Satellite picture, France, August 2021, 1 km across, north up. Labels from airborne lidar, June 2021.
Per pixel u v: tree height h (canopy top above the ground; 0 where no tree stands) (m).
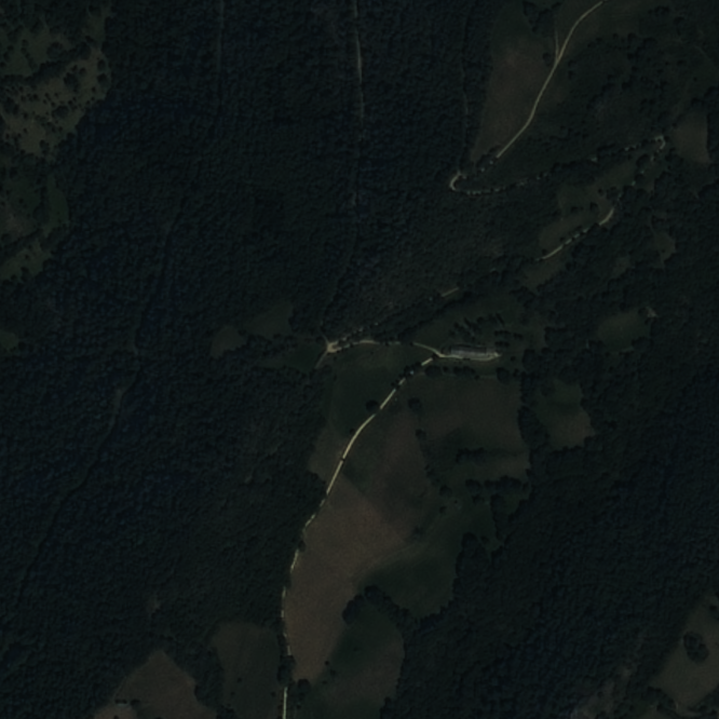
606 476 17
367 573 0
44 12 18
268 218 14
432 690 23
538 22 8
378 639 0
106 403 9
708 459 20
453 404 0
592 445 19
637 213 15
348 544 0
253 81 19
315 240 23
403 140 17
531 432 26
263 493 17
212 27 13
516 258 18
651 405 26
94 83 0
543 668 17
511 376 15
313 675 0
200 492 16
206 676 16
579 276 12
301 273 22
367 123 6
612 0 8
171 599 13
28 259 10
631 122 0
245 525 15
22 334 18
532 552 22
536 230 19
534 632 29
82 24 23
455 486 0
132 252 24
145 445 16
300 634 0
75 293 5
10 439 14
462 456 19
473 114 7
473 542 21
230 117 19
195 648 14
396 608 16
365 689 0
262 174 20
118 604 15
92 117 21
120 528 16
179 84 6
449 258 15
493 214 13
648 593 17
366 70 7
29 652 18
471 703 28
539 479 24
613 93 17
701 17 15
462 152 9
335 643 0
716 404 23
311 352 0
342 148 19
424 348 0
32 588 18
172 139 31
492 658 22
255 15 11
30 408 14
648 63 12
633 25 0
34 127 0
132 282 21
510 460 0
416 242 8
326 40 9
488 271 12
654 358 23
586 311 18
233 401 14
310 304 18
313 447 15
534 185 17
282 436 14
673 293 16
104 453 15
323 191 23
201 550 21
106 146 19
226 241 23
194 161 22
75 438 10
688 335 17
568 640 18
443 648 27
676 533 17
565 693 9
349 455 0
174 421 17
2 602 22
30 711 7
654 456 13
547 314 17
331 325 8
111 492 12
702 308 17
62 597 16
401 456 0
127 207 19
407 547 0
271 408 13
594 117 6
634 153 9
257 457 11
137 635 17
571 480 26
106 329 9
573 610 20
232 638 0
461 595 17
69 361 18
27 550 21
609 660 10
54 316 12
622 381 12
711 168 9
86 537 14
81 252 18
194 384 17
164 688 0
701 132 0
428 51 7
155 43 8
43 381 18
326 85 10
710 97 14
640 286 22
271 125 22
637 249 23
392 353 0
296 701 8
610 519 25
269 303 19
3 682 15
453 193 13
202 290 14
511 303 0
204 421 10
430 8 18
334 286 14
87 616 15
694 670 0
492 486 16
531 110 0
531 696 7
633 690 16
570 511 29
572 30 0
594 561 22
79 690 8
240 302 19
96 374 12
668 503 21
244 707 0
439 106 14
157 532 14
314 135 11
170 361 10
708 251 15
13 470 13
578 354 9
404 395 0
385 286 6
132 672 12
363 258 12
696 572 14
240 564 20
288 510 21
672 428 15
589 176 15
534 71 0
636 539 18
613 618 14
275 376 7
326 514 0
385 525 0
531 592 26
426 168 19
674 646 15
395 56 14
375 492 0
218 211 19
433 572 0
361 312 10
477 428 0
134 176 19
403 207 7
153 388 13
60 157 15
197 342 15
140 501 8
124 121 31
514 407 0
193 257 21
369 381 0
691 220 21
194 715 0
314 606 0
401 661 0
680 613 17
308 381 6
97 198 26
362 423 0
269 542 19
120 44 21
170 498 10
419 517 0
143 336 9
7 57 14
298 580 0
